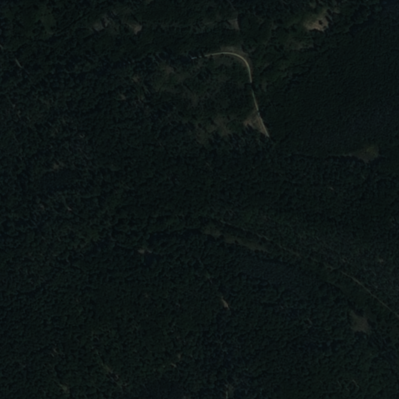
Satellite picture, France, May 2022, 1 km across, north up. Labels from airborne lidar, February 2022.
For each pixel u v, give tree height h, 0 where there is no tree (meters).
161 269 35
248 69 0
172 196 33
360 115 28
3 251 33
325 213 31
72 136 33
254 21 8
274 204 30
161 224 34
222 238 16
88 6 39
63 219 33
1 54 30
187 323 31
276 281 26
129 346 32
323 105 26
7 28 32
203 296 24
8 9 30
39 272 34
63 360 34
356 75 21
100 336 33
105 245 37
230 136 0
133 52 6
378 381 28
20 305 27
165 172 31
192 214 28
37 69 35
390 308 24
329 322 30
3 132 33
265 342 26
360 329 0
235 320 27
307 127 24
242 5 29
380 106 27
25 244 31
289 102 24
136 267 37
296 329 28
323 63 26
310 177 27
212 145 35
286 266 22
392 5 34
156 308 31
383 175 27
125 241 25
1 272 32
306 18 0
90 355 31
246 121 0
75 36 9
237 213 27
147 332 36
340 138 25
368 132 23
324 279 12
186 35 6
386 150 17
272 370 25
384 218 27
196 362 29
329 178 28
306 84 26
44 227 30
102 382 34
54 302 30
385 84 23
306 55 17
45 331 27
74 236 35
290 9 28
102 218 41
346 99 25
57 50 12
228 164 34
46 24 0
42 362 30
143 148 30
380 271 27
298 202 31
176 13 7
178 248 35
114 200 39
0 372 27
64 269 28
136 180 31
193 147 35
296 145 20
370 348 29
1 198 34
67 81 35
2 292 34
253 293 31
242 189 31
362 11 35
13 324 32
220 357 32
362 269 30
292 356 28
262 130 0
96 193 10
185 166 34
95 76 27
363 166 23
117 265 35
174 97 5
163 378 18
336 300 32
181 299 23
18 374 27
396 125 20
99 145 30
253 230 23
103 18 0
